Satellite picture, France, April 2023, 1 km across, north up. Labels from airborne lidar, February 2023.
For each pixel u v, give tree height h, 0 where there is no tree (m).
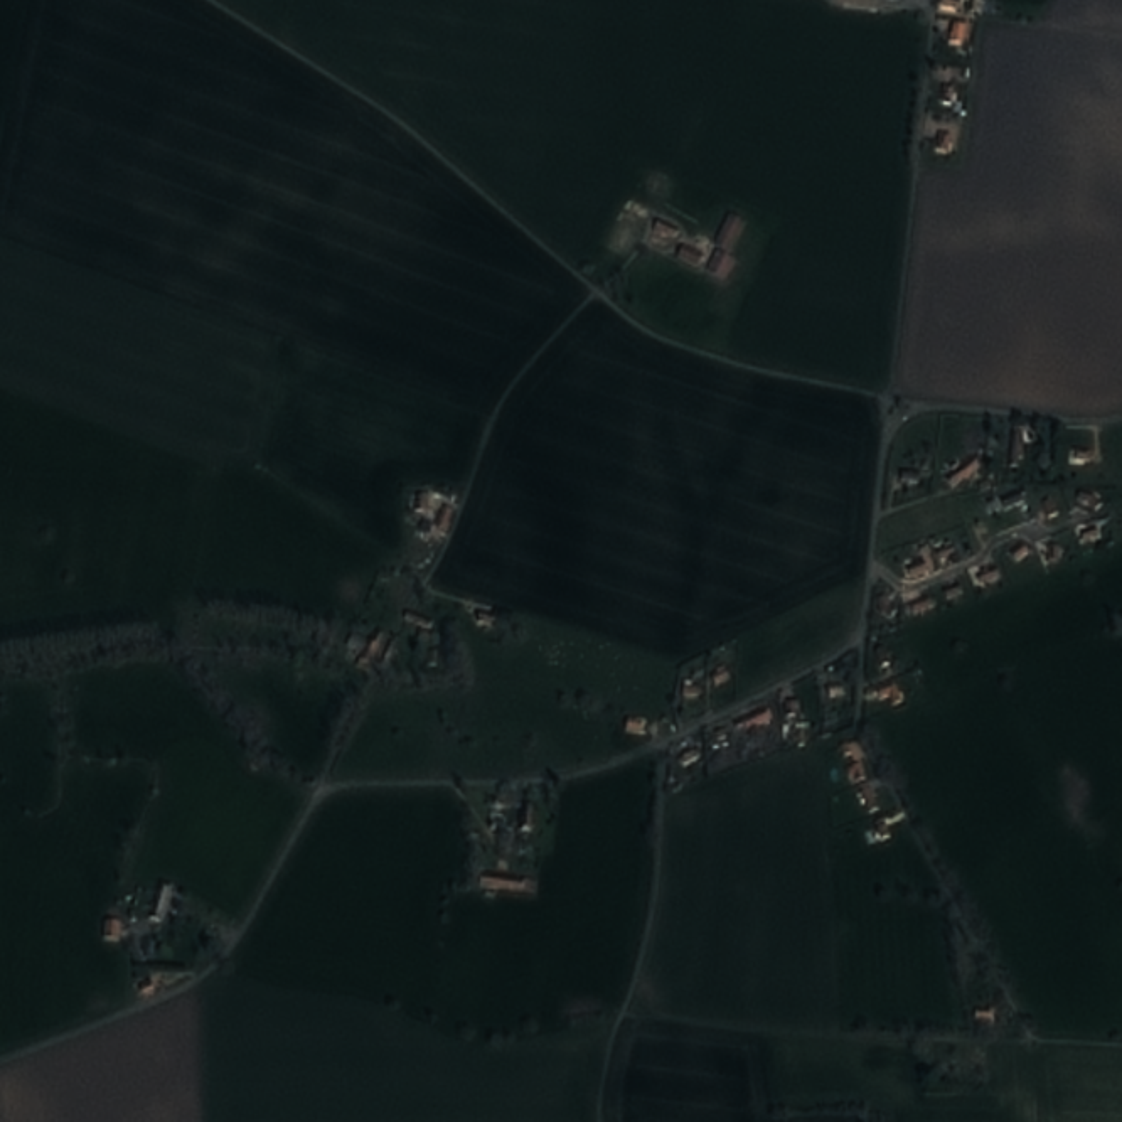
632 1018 0
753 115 0
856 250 0
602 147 0
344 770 0
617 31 0
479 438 0
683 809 0
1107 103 0
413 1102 0
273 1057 0
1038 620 0
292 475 0
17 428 0
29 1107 0
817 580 0
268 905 0
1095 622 0
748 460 0
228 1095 0
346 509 0
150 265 0
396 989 0
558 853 0
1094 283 0
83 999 0
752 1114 0
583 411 0
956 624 0
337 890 0
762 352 0
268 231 0
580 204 0
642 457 0
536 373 0
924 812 0
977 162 0
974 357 0
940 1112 0
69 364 0
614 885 0
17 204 0
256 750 18
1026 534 0
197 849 0
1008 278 0
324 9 0
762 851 0
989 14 0
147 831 0
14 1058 0
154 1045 0
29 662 27
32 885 0
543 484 0
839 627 0
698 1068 0
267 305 0
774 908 0
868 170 0
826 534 0
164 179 0
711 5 0
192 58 0
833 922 0
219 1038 0
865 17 0
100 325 0
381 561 0
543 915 0
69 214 0
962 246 0
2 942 0
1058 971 0
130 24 0
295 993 0
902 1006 0
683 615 0
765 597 0
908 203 0
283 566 0
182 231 0
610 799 0
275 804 0
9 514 0
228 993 0
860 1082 0
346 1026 0
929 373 0
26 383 0
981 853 0
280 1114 0
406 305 0
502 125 0
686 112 0
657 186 0
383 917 0
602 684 0
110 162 0
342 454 0
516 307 0
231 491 0
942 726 0
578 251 0
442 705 0
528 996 0
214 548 0
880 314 0
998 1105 0
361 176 0
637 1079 0
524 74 0
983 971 16
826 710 6
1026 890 0
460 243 0
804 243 0
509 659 0
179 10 0
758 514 0
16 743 0
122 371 0
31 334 0
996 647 0
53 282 0
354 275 0
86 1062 0
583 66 0
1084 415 0
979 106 0
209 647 0
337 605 0
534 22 0
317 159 0
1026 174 0
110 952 0
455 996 0
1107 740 0
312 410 0
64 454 0
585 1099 0
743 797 0
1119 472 0
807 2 0
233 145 0
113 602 0
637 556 0
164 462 0
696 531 0
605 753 0
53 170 0
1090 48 0
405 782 0
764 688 0
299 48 0
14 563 0
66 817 0
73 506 0
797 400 0
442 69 0
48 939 0
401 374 0
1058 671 0
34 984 0
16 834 0
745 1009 0
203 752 0
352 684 0
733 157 0
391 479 0
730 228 0
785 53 0
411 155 0
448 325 0
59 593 0
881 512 0
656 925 0
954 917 16
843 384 0
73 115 0
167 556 0
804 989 0
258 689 0
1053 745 0
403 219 0
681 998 0
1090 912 0
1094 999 0
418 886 0
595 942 0
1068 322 0
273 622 35
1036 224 0
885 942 0
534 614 0
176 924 11
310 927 0
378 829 0
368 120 0
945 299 0
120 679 0
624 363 0
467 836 12
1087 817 0
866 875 0
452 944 0
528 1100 0
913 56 0
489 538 0
